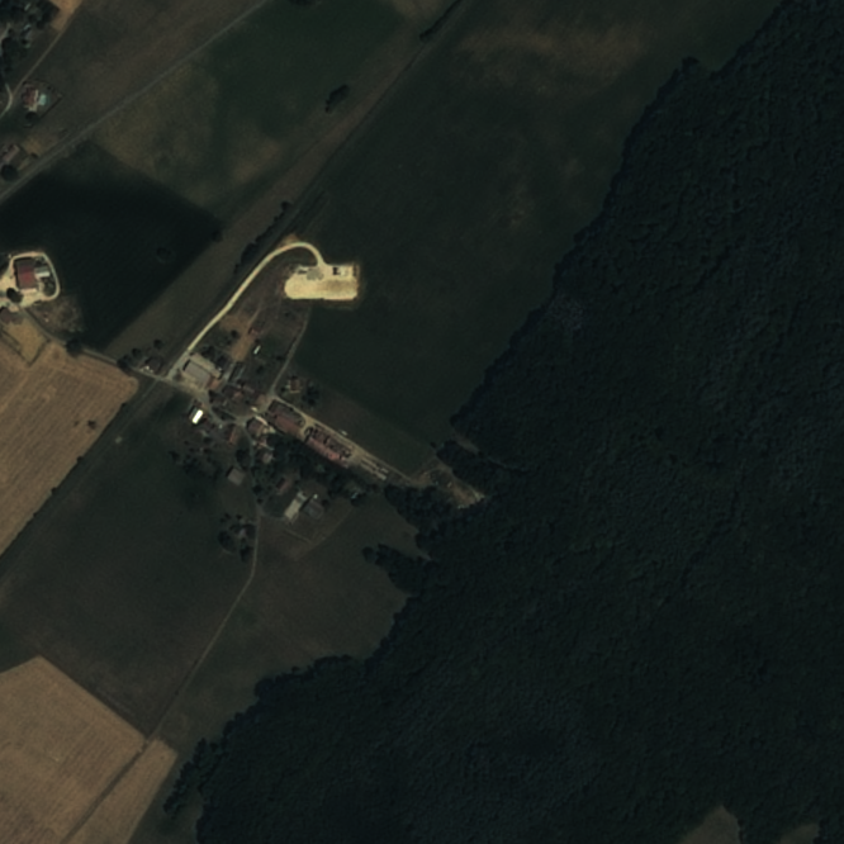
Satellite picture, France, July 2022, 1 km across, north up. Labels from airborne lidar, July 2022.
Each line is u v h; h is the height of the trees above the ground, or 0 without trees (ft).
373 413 0
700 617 73
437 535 61
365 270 0
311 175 0
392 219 0
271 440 40
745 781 78
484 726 44
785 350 71
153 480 0
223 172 0
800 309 59
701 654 69
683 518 31
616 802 68
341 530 0
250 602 0
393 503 38
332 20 0
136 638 0
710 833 0
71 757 0
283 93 0
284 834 48
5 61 20
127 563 0
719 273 64
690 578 60
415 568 52
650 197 74
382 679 81
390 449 0
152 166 0
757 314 85
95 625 0
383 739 57
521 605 70
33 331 0
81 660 0
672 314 78
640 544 26
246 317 0
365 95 0
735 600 70
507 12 0
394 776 54
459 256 0
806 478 70
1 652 0
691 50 0
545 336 79
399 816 55
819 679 74
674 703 75
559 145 0
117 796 0
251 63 0
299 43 0
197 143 0
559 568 67
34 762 0
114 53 0
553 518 67
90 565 0
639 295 70
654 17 0
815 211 72
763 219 69
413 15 0
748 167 77
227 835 63
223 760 57
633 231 77
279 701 91
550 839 73
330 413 0
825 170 81
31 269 0
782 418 81
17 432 0
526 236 0
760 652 69
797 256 82
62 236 0
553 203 0
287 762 55
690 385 58
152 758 0
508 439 79
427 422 0
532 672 43
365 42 0
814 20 68
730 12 0
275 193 0
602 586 65
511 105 0
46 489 0
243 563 23
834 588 79
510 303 0
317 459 37
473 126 0
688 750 73
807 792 75
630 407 79
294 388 0
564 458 76
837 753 65
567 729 64
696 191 64
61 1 0
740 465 88
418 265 0
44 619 0
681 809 78
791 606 67
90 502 0
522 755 68
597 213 0
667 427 79
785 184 70
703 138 73
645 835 78
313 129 0
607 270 85
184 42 0
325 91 0
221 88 0
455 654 59
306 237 0
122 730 0
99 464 0
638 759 65
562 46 0
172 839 0
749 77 70
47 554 0
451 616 71
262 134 0
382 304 0
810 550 79
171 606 0
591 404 71
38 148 0
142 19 0
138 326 0
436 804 54
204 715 0
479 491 57
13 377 0
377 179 0
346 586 0
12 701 0
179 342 0
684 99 83
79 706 0
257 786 59
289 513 0
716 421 72
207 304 0
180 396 0
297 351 0
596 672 64
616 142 0
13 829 0
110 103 0
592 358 73
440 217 0
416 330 0
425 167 0
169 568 0
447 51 0
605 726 75
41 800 0
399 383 0
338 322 0
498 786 60
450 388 0
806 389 63
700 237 64
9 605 0
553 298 23
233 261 0
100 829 0
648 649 68
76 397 0
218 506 0
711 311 64
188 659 0
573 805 66
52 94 0
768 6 0
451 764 66
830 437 92
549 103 0
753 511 61
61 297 0
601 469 49
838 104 82
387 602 0
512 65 0
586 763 65
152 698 0
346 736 62
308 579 0
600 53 0
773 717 80
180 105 0
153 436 0
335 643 0
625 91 0
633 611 64
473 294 0
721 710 75
